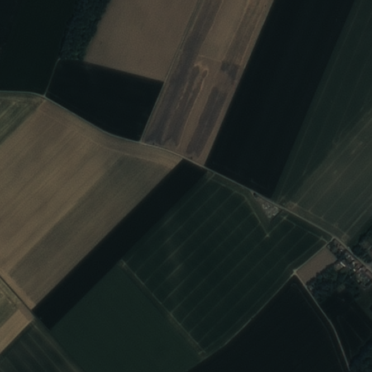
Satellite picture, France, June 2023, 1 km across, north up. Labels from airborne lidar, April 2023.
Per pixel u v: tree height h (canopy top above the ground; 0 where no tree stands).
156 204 0
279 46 0
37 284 0
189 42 0
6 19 0
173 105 0
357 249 9
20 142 0
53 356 0
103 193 0
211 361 0
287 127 0
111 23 0
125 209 0
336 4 0
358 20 0
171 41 0
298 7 0
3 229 0
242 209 0
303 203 0
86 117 0
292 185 0
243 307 0
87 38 19
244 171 0
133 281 0
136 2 0
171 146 0
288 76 0
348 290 9
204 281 0
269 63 0
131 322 0
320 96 0
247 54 0
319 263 0
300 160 0
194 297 0
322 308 0
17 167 0
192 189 0
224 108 0
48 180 0
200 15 0
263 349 0
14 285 0
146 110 0
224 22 0
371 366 18
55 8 0
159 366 0
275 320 0
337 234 0
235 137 0
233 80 0
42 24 0
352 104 0
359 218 0
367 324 0
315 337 0
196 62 0
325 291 16
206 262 0
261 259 0
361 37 0
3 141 0
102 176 0
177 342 0
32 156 0
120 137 0
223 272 0
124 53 0
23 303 0
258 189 0
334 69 0
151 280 0
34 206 0
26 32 0
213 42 0
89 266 0
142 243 0
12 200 0
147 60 0
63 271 0
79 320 0
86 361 0
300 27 0
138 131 0
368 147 0
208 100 0
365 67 0
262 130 0
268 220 0
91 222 0
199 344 0
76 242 0
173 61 0
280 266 0
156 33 0
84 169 0
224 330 0
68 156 0
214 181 0
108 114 0
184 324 0
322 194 0
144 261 0
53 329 0
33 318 0
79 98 0
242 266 0
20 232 0
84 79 0
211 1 0
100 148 0
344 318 0
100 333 0
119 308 0
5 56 0
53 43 0
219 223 0
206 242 0
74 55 13
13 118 0
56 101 0
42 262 0
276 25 0
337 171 0
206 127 0
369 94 0
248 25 0
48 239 0
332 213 0
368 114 0
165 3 0
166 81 0
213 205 0
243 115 0
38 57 0
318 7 0
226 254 0
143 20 0
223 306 0
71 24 16
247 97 0
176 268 0
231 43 0
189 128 0
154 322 0
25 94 0
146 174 0
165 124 0
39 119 0
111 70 0
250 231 0
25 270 0
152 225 0
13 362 0
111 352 0
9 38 0
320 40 0
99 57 0
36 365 0
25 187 0
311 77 0
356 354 0
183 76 0
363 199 0
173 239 0
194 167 0
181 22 0
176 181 0
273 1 0
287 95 0
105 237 0
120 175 0
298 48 0
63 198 0
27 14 0
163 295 0
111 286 0
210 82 0
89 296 0
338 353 0
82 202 0
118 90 0
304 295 0
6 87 0
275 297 0
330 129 0
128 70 0
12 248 0
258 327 0
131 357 0
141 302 0
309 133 0
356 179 0
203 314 0
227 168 0
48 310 0
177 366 0
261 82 0
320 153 0
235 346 0
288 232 0
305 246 0
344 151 0
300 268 0
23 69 0
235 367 0
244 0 0
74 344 0
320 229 0
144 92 0
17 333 0
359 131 0
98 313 0
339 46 0
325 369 0
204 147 0
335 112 0
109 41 0
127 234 0
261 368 0
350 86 0
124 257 0
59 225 0
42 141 0
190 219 0
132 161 0
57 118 0
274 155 0
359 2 0
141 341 0
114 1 0
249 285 0
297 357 0
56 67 0
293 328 0
